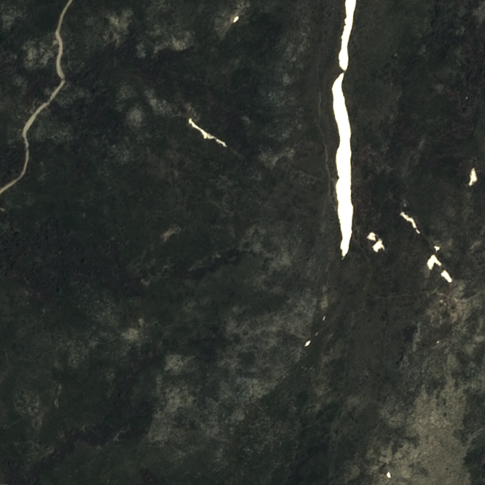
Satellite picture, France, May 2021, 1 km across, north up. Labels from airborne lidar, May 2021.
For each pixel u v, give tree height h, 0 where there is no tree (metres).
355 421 0
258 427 0
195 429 0
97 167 0
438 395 0
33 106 0
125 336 0
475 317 0
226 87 0
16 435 0
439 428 0
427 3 0
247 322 0
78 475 0
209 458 0
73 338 0
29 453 0
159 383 0
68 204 0
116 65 0
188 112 0
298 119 0
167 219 0
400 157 0
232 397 0
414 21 0
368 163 0
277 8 0
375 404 0
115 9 0
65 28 0
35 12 0
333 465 0
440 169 0
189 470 0
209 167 0
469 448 0
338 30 0
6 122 0
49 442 0
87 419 0
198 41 0
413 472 0
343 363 0
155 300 0
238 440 0
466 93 0
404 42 0
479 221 0
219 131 0
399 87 0
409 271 0
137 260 0
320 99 0
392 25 0
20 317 0
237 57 0
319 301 0
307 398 0
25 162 0
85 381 0
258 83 0
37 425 0
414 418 0
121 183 0
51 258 0
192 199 0
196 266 0
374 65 0
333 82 0
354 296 0
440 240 0
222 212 0
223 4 0
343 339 0
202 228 0
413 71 0
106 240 0
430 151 0
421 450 0
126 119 7
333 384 0
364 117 0
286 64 0
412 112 0
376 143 0
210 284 0
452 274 0
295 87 0
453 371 0
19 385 0
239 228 0
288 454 0
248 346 0
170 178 0
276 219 0
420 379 0
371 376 0
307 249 0
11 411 0
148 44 0
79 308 0
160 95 0
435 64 0
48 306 0
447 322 0
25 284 0
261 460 0
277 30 0
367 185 0
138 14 0
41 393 0
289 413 0
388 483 0
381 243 0
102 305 0
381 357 0
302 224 0
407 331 0
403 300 0
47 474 0
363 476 0
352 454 0
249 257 0
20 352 0
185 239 0
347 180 0
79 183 0
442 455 0
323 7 0
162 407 0
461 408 0
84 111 7
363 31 0
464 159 0
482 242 0
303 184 0
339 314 0
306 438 0
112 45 8
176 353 0
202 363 0
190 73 0
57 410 0
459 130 0
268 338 0
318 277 0
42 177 0
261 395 0
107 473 0
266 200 0
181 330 0
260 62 0
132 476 0
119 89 0
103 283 0
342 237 0
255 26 0
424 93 0
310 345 0
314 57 0
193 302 0
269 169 0
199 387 0
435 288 0
